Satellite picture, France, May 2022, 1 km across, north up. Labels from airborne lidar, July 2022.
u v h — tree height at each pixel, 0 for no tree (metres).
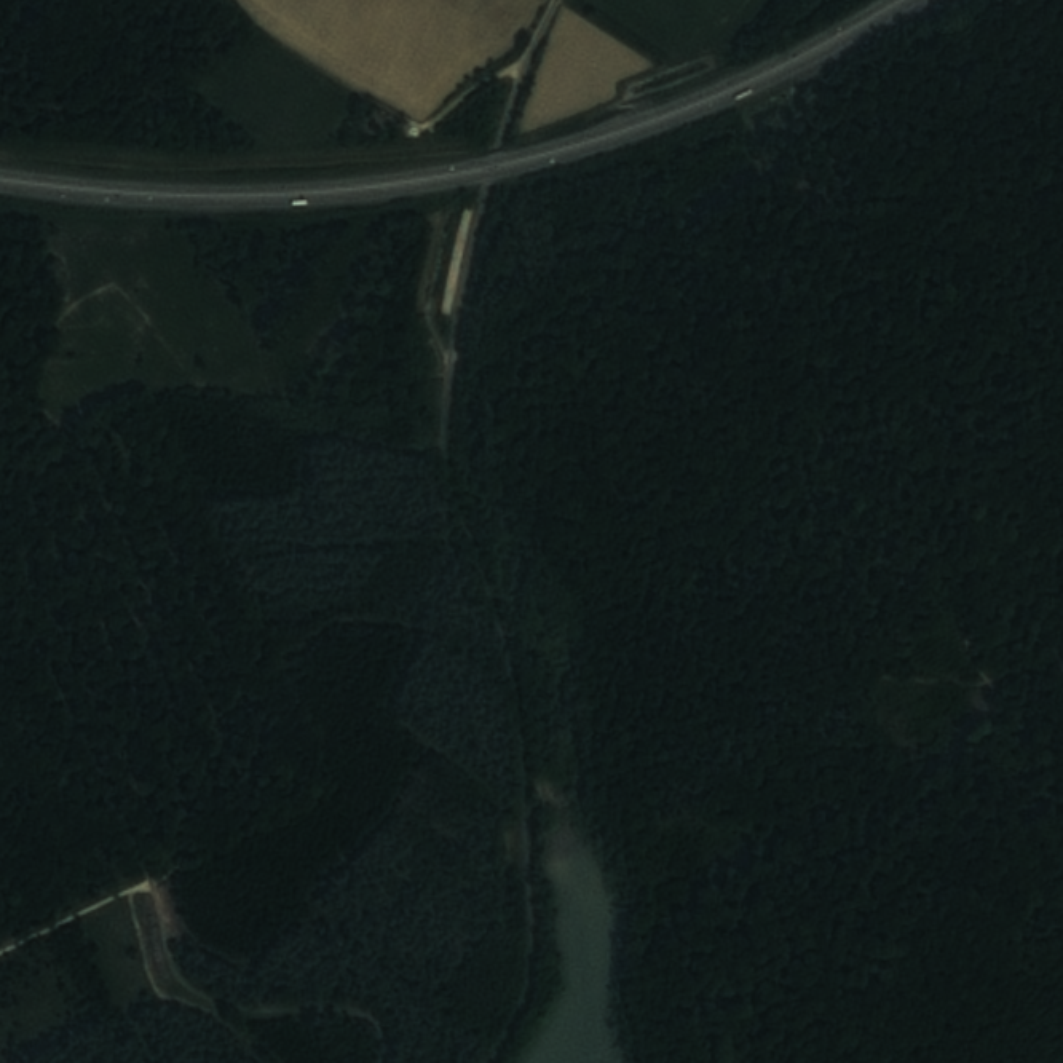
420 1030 25
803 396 25
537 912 16
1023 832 28
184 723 27
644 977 26
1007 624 24
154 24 26
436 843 30
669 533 25
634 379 28
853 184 23
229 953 14
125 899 0
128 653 29
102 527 30
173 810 30
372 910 23
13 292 20
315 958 30
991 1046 20
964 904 28
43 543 28
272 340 33
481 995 22
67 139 14
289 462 15
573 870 0
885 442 26
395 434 15
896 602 24
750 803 26
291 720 27
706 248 31
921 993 26
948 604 24
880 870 27
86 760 27
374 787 14
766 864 28
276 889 14
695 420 25
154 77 26
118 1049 30
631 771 24
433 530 26
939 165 26
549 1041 0
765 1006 26
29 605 27
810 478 25
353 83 0
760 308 25
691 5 0
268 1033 14
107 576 34
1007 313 26
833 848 27
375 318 25
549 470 25
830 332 29
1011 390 28
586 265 27
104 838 30
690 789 28
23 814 26
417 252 13
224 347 0
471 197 7
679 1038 29
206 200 0
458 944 26
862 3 9
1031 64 29
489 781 23
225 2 17
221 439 16
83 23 28
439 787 22
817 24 13
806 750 23
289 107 0
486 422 29
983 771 25
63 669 24
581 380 17
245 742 30
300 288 30
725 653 22
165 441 25
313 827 14
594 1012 0
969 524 25
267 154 0
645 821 27
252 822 28
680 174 12
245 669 30
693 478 25
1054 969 19
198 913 13
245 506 25
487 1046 19
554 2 0
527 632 21
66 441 24
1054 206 28
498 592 23
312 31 0
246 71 0
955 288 22
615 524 25
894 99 28
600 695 21
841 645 23
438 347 0
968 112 28
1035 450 26
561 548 24
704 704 25
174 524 27
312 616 11
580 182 16
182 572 28
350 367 26
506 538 26
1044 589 22
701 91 0
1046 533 27
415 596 26
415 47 0
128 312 0
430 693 27
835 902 26
